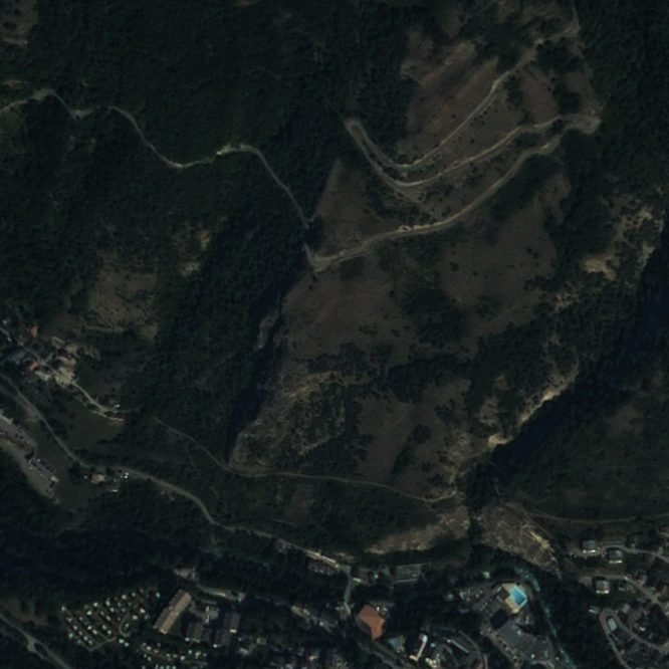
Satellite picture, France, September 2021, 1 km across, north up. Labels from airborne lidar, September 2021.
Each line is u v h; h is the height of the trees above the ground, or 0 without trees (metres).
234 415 7
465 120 0
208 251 12
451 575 8
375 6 12
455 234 6
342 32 18
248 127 9
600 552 0
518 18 7
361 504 10
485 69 0
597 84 11
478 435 8
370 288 0
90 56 12
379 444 0
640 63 17
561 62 8
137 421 14
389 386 9
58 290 9
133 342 20
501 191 8
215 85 18
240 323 9
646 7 33
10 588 18
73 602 22
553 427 14
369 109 10
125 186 17
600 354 18
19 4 8
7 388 18
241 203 9
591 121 0
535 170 9
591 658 25
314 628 6
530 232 0
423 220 7
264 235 17
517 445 23
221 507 7
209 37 18
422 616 23
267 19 12
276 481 8
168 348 10
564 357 9
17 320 9
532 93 0
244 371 15
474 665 0
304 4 15
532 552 0
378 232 0
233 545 12
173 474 6
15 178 13
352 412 10
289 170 16
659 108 11
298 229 12
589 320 14
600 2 27
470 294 0
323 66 9
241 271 13
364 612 0
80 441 0
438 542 8
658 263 37
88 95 13
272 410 6
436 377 9
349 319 0
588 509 7
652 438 12
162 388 7
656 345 16
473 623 19
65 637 7
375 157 9
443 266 0
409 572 0
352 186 0
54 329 0
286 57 8
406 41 8
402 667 8
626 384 10
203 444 9
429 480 6
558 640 10
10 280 14
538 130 0
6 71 12
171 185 8
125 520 15
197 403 13
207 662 0
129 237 9
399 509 6
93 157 16
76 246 10
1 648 21
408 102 6
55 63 16
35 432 0
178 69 10
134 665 17
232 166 16
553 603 16
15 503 21
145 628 10
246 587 13
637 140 11
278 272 13
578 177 11
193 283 18
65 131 14
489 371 12
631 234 8
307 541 8
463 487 9
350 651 23
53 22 19
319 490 11
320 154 6
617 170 17
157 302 6
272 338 25
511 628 0
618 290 9
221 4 11
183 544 16
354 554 10
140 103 12
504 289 0
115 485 0
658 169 14
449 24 0
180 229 11
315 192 10
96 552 32
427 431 11
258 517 7
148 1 17
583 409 16
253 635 11
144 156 13
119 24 12
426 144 0
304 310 0
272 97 10
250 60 15
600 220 17
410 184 0
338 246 0
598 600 12
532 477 14
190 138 14
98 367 8
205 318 10
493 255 0
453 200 0
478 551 20
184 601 0
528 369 18
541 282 13
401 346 0
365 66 14
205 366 7
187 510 12
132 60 15
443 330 10
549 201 0
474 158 0
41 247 18
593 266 0
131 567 28
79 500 0
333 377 12
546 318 9
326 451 10
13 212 21
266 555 17
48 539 18
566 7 8
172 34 16
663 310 15
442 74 0
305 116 14
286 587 23
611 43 17
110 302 0
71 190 13
